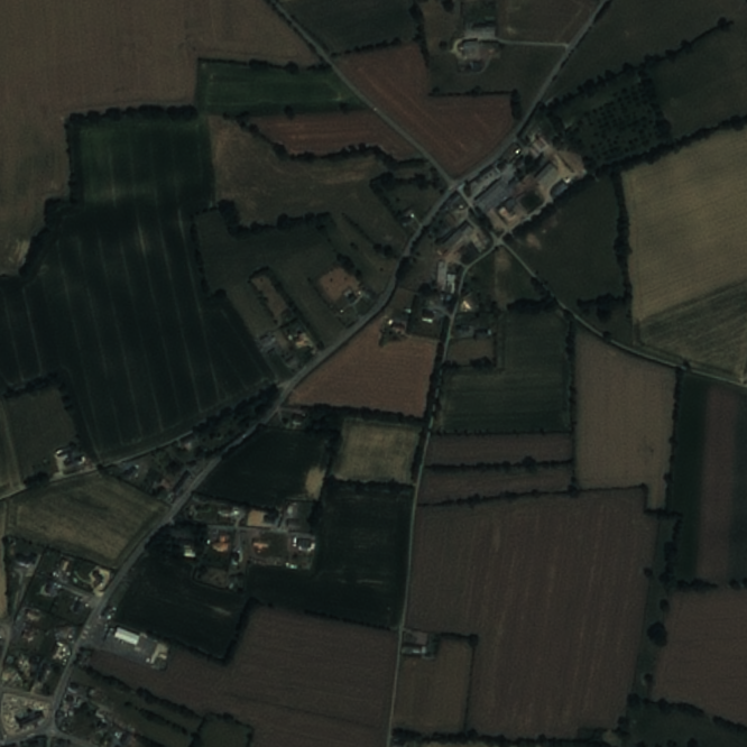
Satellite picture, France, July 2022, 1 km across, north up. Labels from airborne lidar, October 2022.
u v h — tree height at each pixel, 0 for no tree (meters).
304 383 0
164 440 0
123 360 0
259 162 0
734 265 0
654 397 0
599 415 0
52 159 0
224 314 0
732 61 0
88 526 0
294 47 0
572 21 0
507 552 0
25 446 0
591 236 0
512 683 0
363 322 0
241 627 11
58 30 0
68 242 0
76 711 7
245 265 0
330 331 0
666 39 0
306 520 0
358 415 12
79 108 0
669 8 0
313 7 0
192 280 0
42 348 0
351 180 0
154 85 0
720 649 0
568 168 0
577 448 0
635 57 0
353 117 0
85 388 0
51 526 0
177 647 12
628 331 0
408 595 0
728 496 0
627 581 0
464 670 0
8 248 0
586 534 0
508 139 0
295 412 0
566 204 8
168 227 0
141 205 0
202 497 6
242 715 0
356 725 0
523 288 0
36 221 0
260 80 0
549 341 0
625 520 0
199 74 0
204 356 0
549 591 0
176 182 0
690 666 0
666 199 0
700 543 0
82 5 0
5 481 0
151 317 0
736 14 0
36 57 0
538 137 7
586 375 0
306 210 0
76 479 0
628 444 0
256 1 0
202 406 0
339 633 0
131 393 0
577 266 0
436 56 0
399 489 16
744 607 0
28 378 0
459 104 0
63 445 0
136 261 0
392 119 0
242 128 15
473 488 0
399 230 0
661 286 0
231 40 0
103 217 0
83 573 0
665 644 15
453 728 0
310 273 0
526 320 0
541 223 13
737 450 0
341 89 0
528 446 0
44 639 0
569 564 0
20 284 0
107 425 0
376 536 0
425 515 0
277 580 0
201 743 15
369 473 0
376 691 0
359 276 12
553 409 0
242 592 11
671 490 7
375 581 0
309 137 0
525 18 0
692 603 0
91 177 0
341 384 0
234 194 0
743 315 0
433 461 0
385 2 0
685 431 0
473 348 0
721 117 0
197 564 10
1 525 0
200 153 0
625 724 17
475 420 0
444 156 0
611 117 6
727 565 0
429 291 14
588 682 0
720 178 0
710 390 0
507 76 0
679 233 0
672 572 16
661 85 0
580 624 0
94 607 0
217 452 8
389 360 0
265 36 0
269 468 0
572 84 0
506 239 6
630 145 9
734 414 0
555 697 0
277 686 0
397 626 0
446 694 0
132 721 0
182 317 0
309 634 0
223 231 0
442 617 0
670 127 16
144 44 0
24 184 0
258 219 0
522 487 0
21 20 0
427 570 0
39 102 0
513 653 0
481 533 0
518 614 0
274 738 0
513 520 0
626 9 0
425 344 0
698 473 0
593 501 0
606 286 0
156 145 0
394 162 17
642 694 0
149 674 0
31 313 0
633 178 0
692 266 0
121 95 0
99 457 0
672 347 0
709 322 0
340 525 0
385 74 0
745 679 0
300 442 0
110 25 0
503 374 0
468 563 0
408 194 0
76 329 0
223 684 0
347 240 0
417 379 0
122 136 0
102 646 0
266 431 8
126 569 0
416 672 0
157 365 0
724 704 0
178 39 0
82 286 0
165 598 0
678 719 0
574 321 8
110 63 0
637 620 0
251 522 0
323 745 0
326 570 0
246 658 0
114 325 0
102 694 0
